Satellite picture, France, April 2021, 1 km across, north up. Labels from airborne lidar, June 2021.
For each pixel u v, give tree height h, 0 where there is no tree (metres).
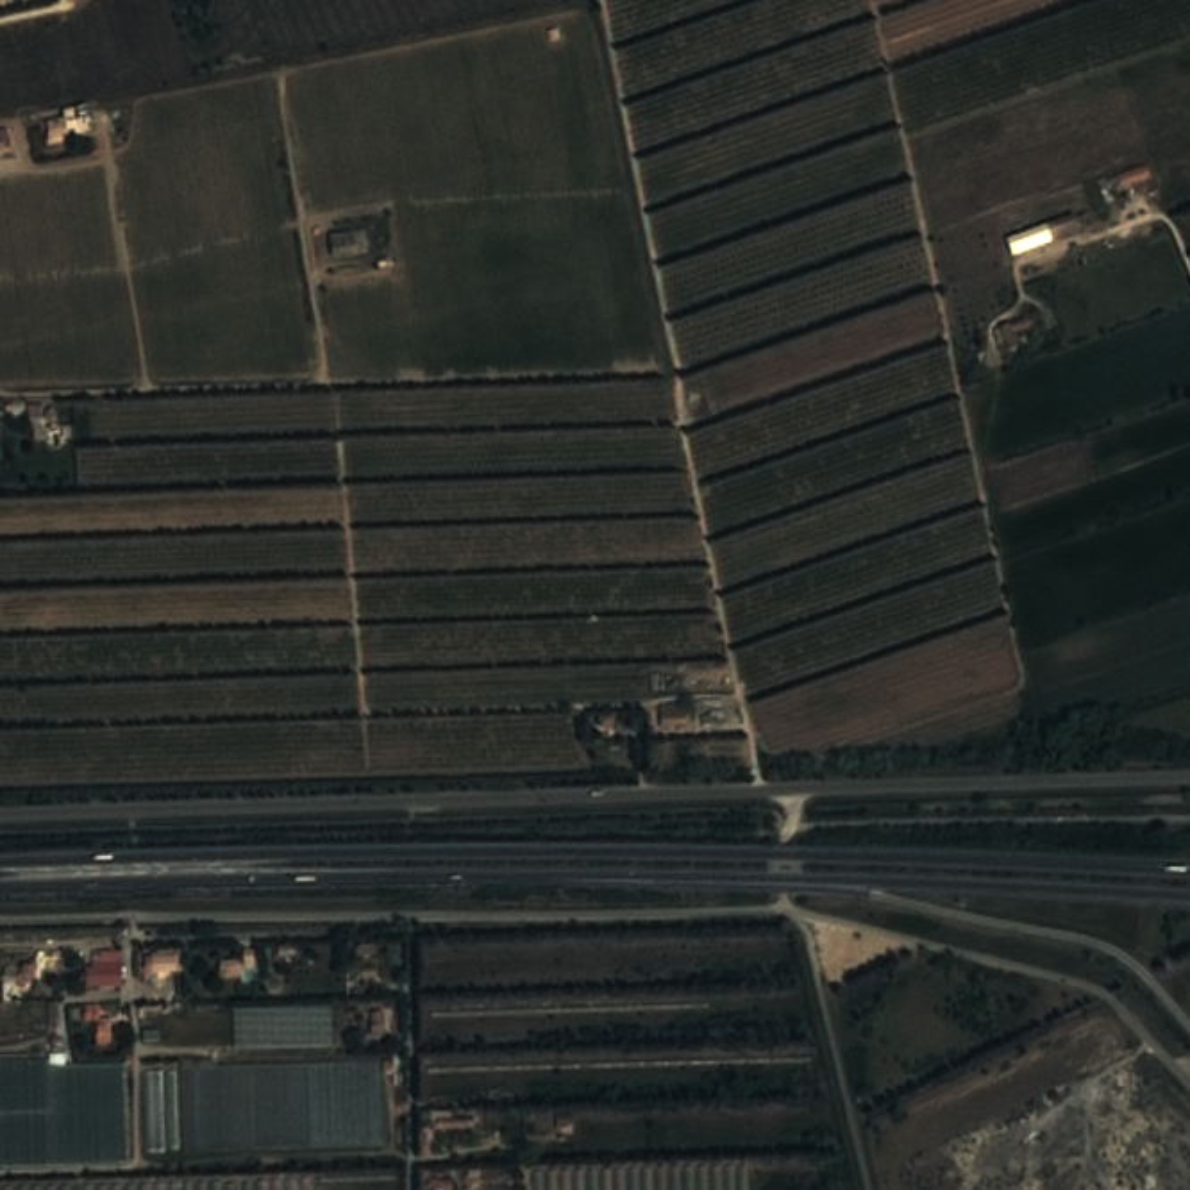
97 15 0
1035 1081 0
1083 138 0
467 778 5
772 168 10
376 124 0
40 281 0
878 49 0
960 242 0
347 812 0
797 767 15
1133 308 0
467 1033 0
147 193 0
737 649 10
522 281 0
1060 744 21
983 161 0
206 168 0
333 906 0
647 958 0
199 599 0
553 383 13
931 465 8
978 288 0
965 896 0
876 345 0
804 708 0
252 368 0
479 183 0
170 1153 0
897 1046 0
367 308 0
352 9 0
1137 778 0
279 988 0
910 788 0
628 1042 8
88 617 0
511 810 0
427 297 0
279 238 0
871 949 0
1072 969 0
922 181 0
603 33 0
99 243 0
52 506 0
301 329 0
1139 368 0
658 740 9
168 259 0
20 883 0
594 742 13
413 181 0
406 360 0
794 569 6
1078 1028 0
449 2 0
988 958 0
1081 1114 0
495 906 0
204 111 0
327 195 0
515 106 0
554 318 0
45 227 0
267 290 0
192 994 10
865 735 0
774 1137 0
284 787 7
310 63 0
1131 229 0
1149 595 0
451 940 12
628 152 0
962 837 12
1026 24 12
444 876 0
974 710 0
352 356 0
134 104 0
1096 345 0
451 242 0
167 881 0
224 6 0
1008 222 0
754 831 12
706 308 9
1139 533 0
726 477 10
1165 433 0
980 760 6
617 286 0
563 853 0
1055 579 0
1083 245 0
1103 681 0
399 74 0
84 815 0
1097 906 0
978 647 0
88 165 0
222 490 13
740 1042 14
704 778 16
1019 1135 0
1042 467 0
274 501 0
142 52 0
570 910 0
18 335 0
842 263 10
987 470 0
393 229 0
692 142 10
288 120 0
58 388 0
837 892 0
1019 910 0
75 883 0
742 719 0
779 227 11
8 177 0
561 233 0
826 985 0
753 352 10
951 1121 0
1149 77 0
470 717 12
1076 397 0
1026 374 0
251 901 0
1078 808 7
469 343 0
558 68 0
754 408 10
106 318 0
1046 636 0
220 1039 0
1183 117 0
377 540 0
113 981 0
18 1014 0
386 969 8
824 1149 13
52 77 0
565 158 0
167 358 0
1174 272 0
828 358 0
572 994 13
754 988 16
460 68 0
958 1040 0
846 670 10
